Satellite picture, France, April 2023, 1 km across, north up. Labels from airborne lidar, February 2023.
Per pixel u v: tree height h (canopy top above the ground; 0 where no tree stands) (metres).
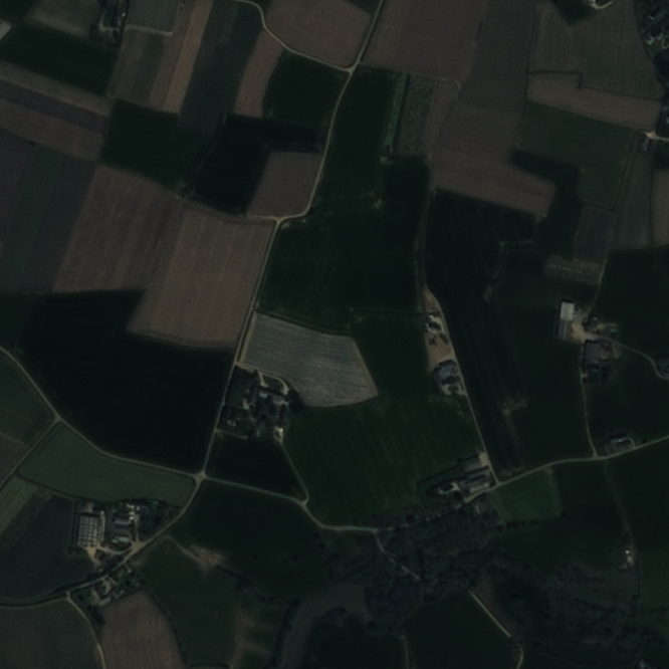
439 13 0
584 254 0
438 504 6
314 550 0
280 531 0
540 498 0
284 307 0
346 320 0
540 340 0
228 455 0
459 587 6
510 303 0
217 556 0
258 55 0
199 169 0
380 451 0
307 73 0
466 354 0
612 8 0
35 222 0
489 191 0
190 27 0
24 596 0
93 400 0
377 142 0
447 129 0
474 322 0
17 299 0
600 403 0
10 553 0
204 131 0
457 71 0
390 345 0
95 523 0
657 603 0
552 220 0
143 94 0
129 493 0
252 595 8
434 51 0
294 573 0
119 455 0
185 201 0
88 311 0
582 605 10
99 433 0
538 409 0
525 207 0
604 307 0
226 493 0
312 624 0
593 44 0
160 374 0
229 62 0
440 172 0
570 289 0
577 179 0
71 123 0
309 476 0
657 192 0
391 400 0
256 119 0
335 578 8
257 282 0
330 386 0
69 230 0
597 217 0
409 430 0
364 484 0
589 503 0
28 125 0
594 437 0
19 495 0
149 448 0
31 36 0
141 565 0
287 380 0
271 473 0
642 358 0
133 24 0
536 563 0
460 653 0
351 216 0
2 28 0
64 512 0
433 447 0
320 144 0
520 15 0
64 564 0
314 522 0
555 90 0
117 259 0
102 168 0
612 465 0
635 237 0
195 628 0
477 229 0
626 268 0
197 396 0
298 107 0
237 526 0
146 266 0
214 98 0
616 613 15
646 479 0
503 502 0
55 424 0
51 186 0
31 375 0
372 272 0
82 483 0
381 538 19
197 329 0
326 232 0
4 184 0
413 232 0
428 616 0
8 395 0
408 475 0
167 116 0
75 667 0
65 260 0
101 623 12
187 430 0
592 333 0
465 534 17
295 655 0
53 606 0
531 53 0
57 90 0
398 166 0
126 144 0
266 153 0
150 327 0
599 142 0
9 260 0
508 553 0
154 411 0
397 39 0
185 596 0
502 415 0
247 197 0
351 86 0
